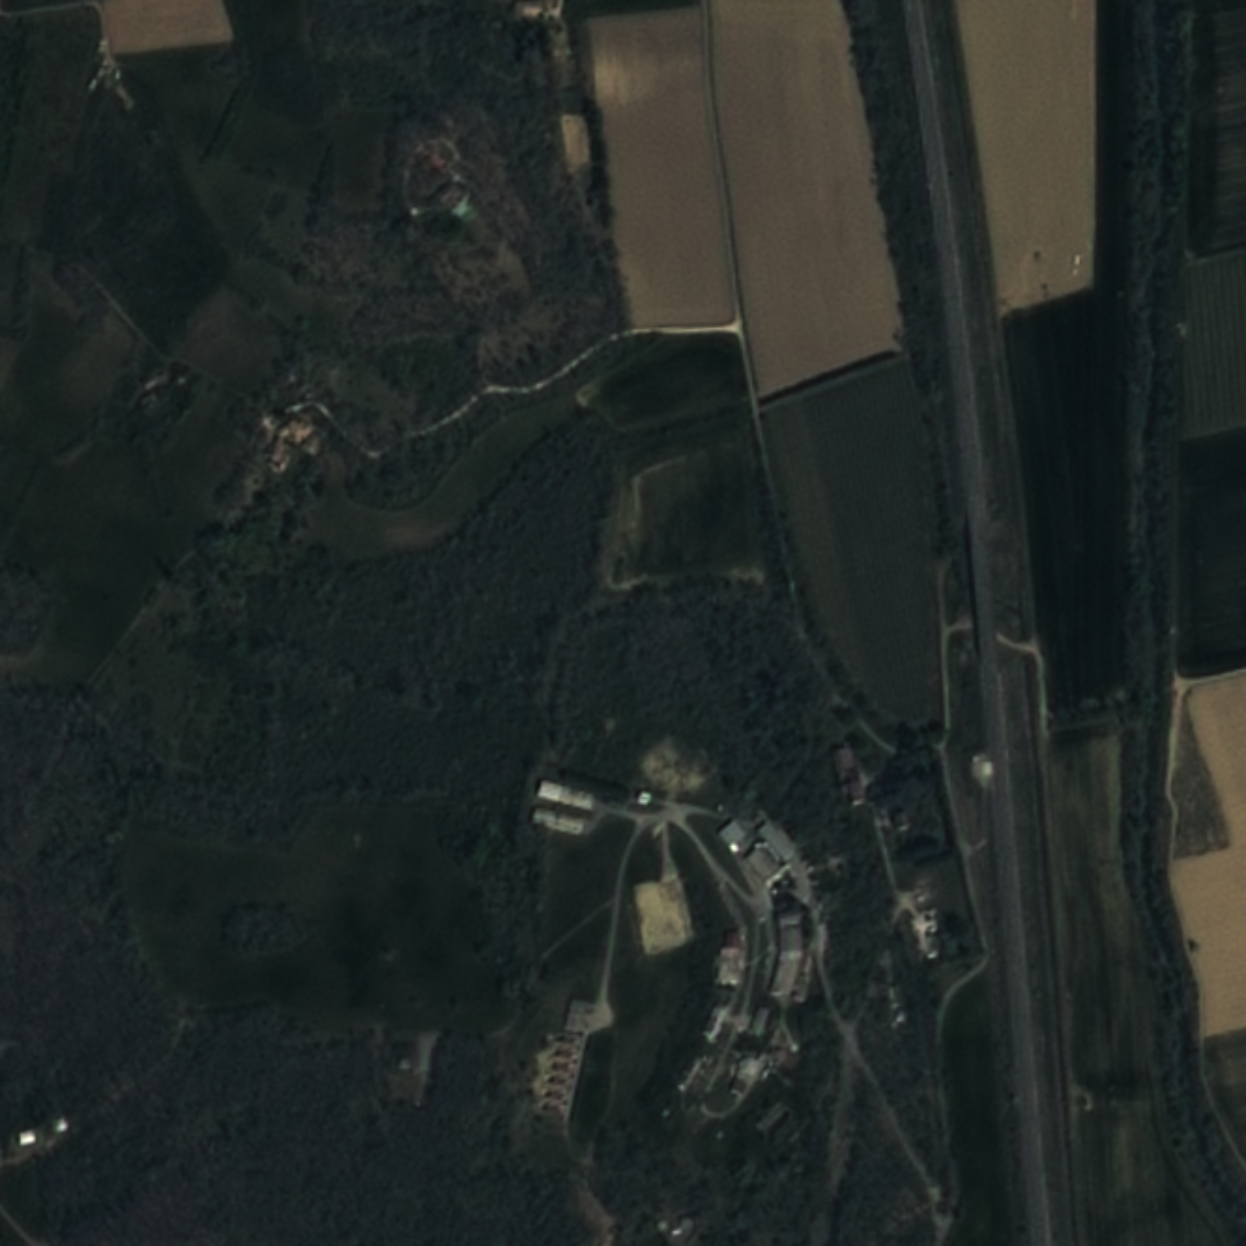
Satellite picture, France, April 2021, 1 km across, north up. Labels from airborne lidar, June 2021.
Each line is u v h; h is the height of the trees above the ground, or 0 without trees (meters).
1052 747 0
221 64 9
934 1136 19
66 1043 17
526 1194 14
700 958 9
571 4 6
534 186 16
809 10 0
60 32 0
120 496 0
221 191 0
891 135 6
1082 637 0
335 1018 0
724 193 0
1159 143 12
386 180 13
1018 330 0
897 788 22
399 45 16
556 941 0
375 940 0
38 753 18
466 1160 16
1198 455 0
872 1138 18
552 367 18
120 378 0
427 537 0
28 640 16
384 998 0
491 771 6
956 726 0
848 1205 15
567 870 0
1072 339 0
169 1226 18
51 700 12
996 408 0
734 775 11
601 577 10
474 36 7
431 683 12
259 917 12
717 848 0
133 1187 16
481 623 6
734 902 0
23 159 0
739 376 0
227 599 14
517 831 20
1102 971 0
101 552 0
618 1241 16
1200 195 0
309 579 12
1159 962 19
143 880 0
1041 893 0
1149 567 13
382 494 6
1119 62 0
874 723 14
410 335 14
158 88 0
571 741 8
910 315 15
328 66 6
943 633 0
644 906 0
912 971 17
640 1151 16
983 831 0
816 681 22
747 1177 15
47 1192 12
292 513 11
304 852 0
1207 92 0
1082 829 0
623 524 0
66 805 20
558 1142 0
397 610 6
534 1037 0
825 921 15
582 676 6
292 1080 18
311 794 8
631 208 0
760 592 17
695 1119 0
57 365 0
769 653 11
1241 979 0
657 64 0
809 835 18
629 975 0
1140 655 18
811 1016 15
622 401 0
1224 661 0
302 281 13
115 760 20
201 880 0
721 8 0
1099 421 0
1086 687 0
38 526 0
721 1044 0
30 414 0
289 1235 15
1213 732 0
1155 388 7
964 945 10
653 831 0
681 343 0
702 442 0
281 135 0
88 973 18
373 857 0
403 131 18
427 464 13
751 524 0
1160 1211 0
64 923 16
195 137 0
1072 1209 0
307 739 6
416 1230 15
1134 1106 0
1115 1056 0
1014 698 0
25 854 20
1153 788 6
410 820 0
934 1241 19
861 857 17
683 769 0
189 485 0
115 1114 15
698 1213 15
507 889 10
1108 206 0
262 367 0
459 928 0
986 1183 0
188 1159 15
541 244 18
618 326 18
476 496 0
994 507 8
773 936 0
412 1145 15
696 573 0
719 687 19
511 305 18
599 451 6
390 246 15
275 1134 16
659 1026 0
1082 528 0
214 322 0
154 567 0
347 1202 17
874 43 20
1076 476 0
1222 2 0
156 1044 14
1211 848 0
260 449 6
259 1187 18
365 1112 15
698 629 17
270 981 0
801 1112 0
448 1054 13
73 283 17
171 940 0
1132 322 8
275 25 0
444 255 8
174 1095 14
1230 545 0
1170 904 10
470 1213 22
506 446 0
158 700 0
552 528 17
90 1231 20
